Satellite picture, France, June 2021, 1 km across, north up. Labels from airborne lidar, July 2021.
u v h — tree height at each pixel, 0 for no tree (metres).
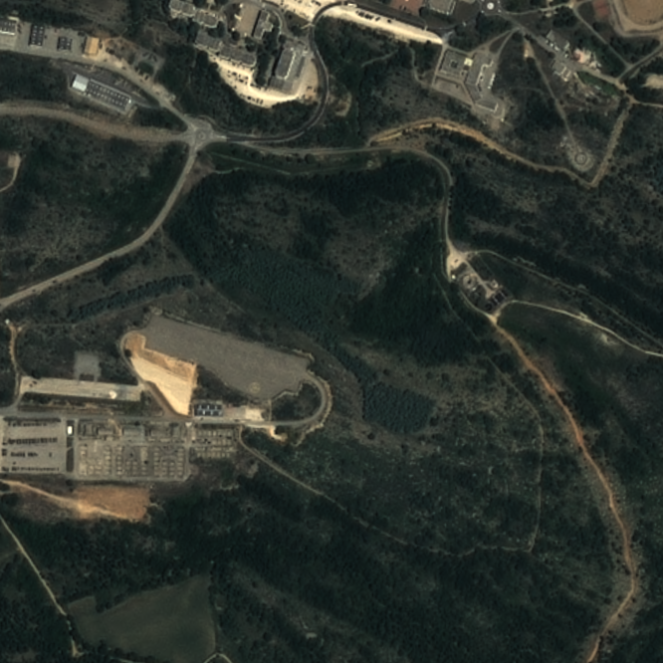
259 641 7
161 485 0
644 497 12
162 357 0
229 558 9
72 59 0
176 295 0
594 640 0
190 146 0
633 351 0
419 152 0
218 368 0
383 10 0
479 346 11
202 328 0
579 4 0
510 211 5
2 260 0
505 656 9
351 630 0
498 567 8
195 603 0
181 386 0
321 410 0
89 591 8
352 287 15
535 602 7
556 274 8
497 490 7
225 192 7
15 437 0
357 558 9
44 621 9
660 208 7
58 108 0
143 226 0
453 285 10
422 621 7
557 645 6
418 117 0
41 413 0
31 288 0
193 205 8
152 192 7
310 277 13
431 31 0
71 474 0
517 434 8
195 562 7
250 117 7
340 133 8
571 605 7
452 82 0
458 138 7
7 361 6
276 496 7
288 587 7
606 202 0
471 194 7
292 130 7
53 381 0
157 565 7
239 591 8
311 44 0
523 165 9
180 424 0
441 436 13
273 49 16
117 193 7
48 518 0
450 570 8
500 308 0
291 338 0
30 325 0
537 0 12
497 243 8
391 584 6
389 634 7
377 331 9
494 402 0
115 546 8
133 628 0
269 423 0
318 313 7
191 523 9
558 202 7
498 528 6
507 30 7
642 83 9
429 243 7
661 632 9
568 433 0
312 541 7
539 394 6
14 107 0
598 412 9
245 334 0
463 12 0
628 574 7
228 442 0
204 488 0
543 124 7
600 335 0
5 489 9
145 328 0
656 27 0
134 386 0
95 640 0
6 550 0
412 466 0
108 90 0
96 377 0
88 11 0
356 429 0
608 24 0
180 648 0
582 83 0
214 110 7
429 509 8
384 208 6
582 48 18
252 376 0
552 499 0
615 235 6
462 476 7
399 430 14
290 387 0
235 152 8
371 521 6
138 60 0
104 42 0
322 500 5
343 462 11
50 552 9
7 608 11
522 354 0
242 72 0
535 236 7
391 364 0
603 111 0
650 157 8
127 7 6
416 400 11
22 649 10
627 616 0
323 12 0
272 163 0
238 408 0
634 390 0
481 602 7
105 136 0
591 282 10
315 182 11
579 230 8
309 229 6
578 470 6
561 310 0
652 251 6
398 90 0
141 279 0
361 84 8
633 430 6
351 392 0
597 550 6
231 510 8
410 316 9
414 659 9
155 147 0
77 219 0
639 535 7
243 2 0
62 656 11
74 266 0
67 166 8
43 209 0
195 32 10
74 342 0
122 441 0
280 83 0
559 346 0
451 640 7
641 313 8
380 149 0
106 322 0
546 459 7
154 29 0
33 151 6
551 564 6
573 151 0
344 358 10
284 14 0
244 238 8
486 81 0
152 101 0
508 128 0
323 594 6
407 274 12
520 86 0
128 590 7
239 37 10
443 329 8
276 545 8
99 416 0
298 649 8
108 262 10
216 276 10
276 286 8
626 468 6
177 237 9
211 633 0
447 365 0
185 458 0
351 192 13
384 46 6
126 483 0
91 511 0
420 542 10
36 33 0
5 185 0
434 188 6
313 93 0
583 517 0
